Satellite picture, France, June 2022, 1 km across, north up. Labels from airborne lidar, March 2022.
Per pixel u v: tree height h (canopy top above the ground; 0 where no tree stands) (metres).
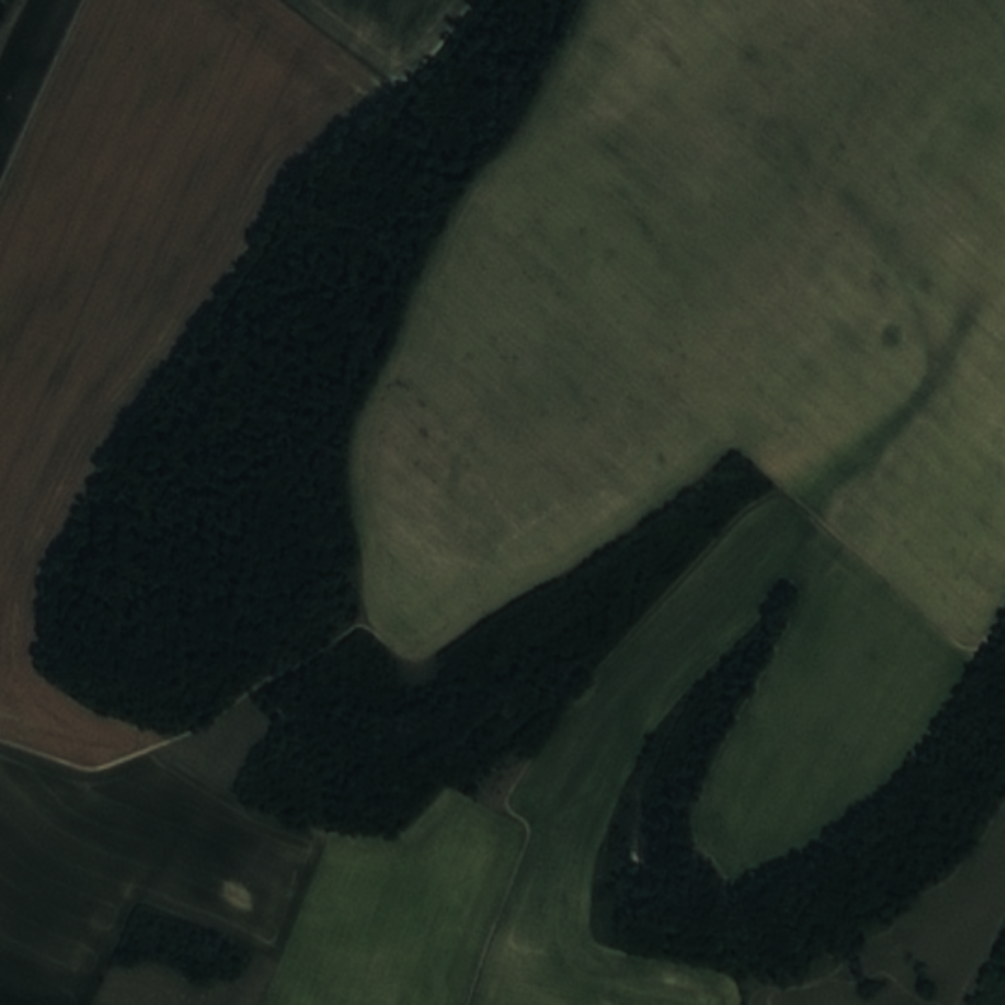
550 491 0
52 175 0
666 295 0
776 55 0
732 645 0
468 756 24
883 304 0
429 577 0
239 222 0
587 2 0
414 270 14
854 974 15
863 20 0
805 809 0
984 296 0
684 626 0
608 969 0
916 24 0
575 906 0
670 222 0
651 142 0
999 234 0
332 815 19
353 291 15
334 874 0
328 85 0
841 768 0
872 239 0
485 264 0
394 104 23
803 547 0
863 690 0
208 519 15
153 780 0
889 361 0
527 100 16
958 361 0
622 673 0
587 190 0
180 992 0
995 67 0
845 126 0
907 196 0
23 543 0
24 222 0
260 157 0
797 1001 0
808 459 0
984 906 0
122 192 0
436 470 0
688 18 0
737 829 0
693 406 0
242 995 0
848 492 0
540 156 0
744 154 0
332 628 20
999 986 9
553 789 0
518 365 0
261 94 0
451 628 0
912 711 0
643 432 0
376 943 0
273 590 17
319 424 17
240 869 0
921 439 0
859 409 0
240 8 0
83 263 0
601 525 0
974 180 0
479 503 0
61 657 21
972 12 0
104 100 0
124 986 0
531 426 0
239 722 0
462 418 0
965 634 0
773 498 0
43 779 0
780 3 0
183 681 19
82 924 0
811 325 0
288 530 21
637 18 0
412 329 0
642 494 0
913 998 0
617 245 0
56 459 0
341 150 22
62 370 0
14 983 0
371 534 0
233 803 0
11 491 0
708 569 0
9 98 0
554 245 0
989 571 0
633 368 0
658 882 18
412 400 0
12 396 0
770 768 0
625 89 0
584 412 0
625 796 0
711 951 18
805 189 0
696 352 0
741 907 19
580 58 0
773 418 0
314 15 0
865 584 0
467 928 0
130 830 0
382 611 0
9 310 0
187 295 0
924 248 0
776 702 0
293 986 0
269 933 0
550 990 0
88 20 0
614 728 0
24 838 0
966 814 15
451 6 0
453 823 0
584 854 0
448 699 23
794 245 0
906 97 0
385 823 19
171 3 0
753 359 0
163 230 0
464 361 0
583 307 0
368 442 0
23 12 0
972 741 14
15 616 0
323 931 0
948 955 0
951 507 0
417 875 0
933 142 0
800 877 16
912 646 0
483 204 0
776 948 25
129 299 0
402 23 0
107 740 0
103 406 0
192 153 0
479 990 0
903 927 0
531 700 23
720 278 0
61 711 0
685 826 16
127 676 17
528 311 0
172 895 0
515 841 0
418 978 0
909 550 0
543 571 0
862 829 21
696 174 0
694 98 0
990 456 0
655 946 7
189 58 0
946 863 20
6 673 0
